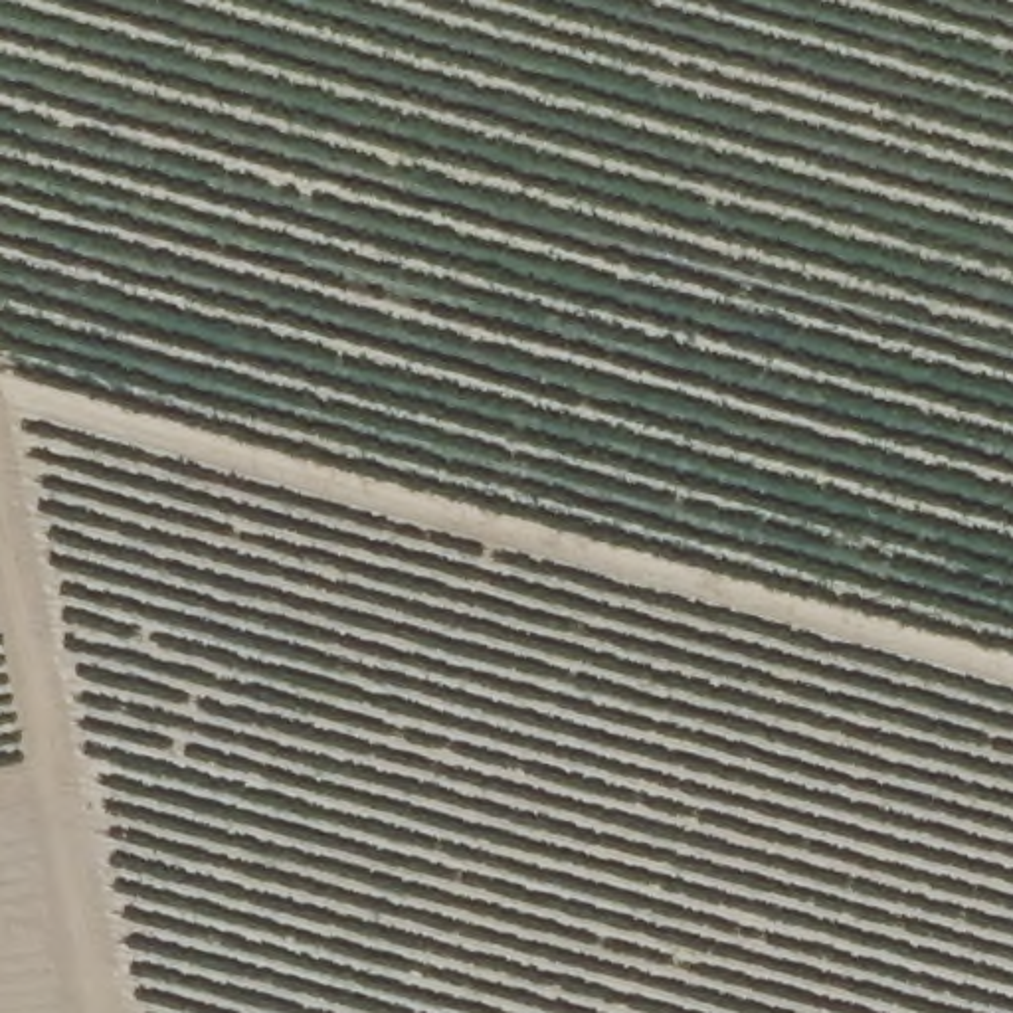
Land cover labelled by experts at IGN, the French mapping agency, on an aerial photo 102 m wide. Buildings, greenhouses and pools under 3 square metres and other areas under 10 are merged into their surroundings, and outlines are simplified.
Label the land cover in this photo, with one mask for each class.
<instances>
[{"label":"vineyard","instance_id":"1","mask_svg":"<svg viewBox=\"0 0 1013 1013\"><path fill-rule=\"evenodd\" d=\"M0 368L16 376L79 392L91 400H107L127 412L230 435L249 447H269L321 467L471 503L510 518H530L554 530L657 554L708 574L756 582L780 594L811 598L867 617H886L910 629L958 637L981 649L1013 653V0H0ZM24 431L32 435V459L55 467V475H44L40 510L47 514V554L63 582V645L71 653L95 657V665L75 669L83 677V752L91 760H107L103 787L111 811V867L115 890L127 906V946L119 950V958L131 962L135 997L142 1001V1013H1013V689L930 661L898 657L875 645L831 641L823 633L795 629L787 621H772L760 613L708 605L673 590L617 582L598 570L534 558L522 550H499L451 530L400 522L336 499L202 467L178 455H158L51 419H24ZM24 756L0 645V768L20 764Z\"/></svg>","mask_w":1013,"mask_h":1013},{"label":"plowed land","instance_id":"2","mask_svg":"<svg viewBox=\"0 0 1013 1013\"><path fill-rule=\"evenodd\" d=\"M4 396L32 419H51L158 455H178L202 467L336 499L400 522L451 530L499 550H522L534 558L598 570L617 582L673 590L708 605L760 613L772 621H787L795 629L823 633L831 641L875 645L898 657L930 661L1013 689V653L981 649L958 637L910 629L886 617H867L811 598L780 594L756 582L708 574L657 554L554 530L530 518H510L471 503L321 467L269 447H249L230 435L127 412L107 400H91L79 392L16 376L4 388ZM0 645L24 756L20 764L0 768V1013H142V1001L135 997L131 962L119 958V950L127 946V906L115 890L111 867V811L103 787L107 760H91L83 752V677L75 669L95 665V657L71 653L63 645V625L51 629V621L36 625L28 617L8 637H0Z\"/></svg>","mask_w":1013,"mask_h":1013},{"label":"pervious surface","instance_id":"3","mask_svg":"<svg viewBox=\"0 0 1013 1013\"><path fill-rule=\"evenodd\" d=\"M16 376L0 368V637H8L28 617L36 625L51 621V629L63 625V582L47 554V514L40 510L44 475H55V467L32 459V435L24 431V419H32L4 396V388Z\"/></svg>","mask_w":1013,"mask_h":1013}]
</instances>
